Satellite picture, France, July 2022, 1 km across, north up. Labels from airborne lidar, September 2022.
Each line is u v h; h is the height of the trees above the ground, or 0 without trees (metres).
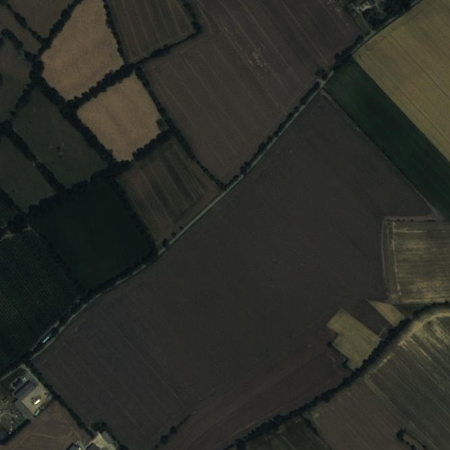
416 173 0
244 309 0
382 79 0
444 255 0
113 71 0
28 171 0
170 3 0
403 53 0
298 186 0
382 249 0
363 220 0
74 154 0
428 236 0
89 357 0
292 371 0
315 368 0
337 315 0
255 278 0
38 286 5
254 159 6
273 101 0
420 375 0
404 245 0
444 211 0
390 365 0
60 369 0
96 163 0
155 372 0
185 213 0
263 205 0
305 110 0
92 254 0
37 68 17
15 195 0
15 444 0
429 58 0
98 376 0
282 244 0
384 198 0
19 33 0
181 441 0
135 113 0
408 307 0
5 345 6
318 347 0
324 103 0
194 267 0
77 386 0
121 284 0
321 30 0
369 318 0
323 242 0
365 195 0
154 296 0
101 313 0
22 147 18
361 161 0
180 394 0
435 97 0
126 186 0
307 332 0
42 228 0
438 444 0
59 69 0
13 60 0
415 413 0
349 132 0
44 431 0
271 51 0
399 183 0
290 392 0
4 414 0
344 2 0
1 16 0
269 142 6
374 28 20
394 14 12
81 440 0
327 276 0
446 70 0
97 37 0
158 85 0
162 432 0
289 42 0
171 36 0
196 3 0
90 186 18
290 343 0
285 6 0
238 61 0
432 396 0
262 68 0
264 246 0
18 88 0
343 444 0
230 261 0
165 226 0
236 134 0
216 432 0
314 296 0
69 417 0
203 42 0
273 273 0
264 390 0
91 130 17
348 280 0
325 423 0
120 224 0
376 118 0
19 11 0
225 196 0
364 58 0
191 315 0
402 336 0
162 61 0
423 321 0
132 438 0
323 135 0
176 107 0
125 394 0
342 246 0
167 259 0
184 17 0
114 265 0
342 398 0
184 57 0
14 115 15
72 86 0
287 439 0
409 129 0
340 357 0
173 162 0
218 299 0
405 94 0
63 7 0
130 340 0
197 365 0
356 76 0
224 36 0
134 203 0
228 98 0
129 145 0
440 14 0
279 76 0
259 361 0
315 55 0
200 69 0
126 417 0
